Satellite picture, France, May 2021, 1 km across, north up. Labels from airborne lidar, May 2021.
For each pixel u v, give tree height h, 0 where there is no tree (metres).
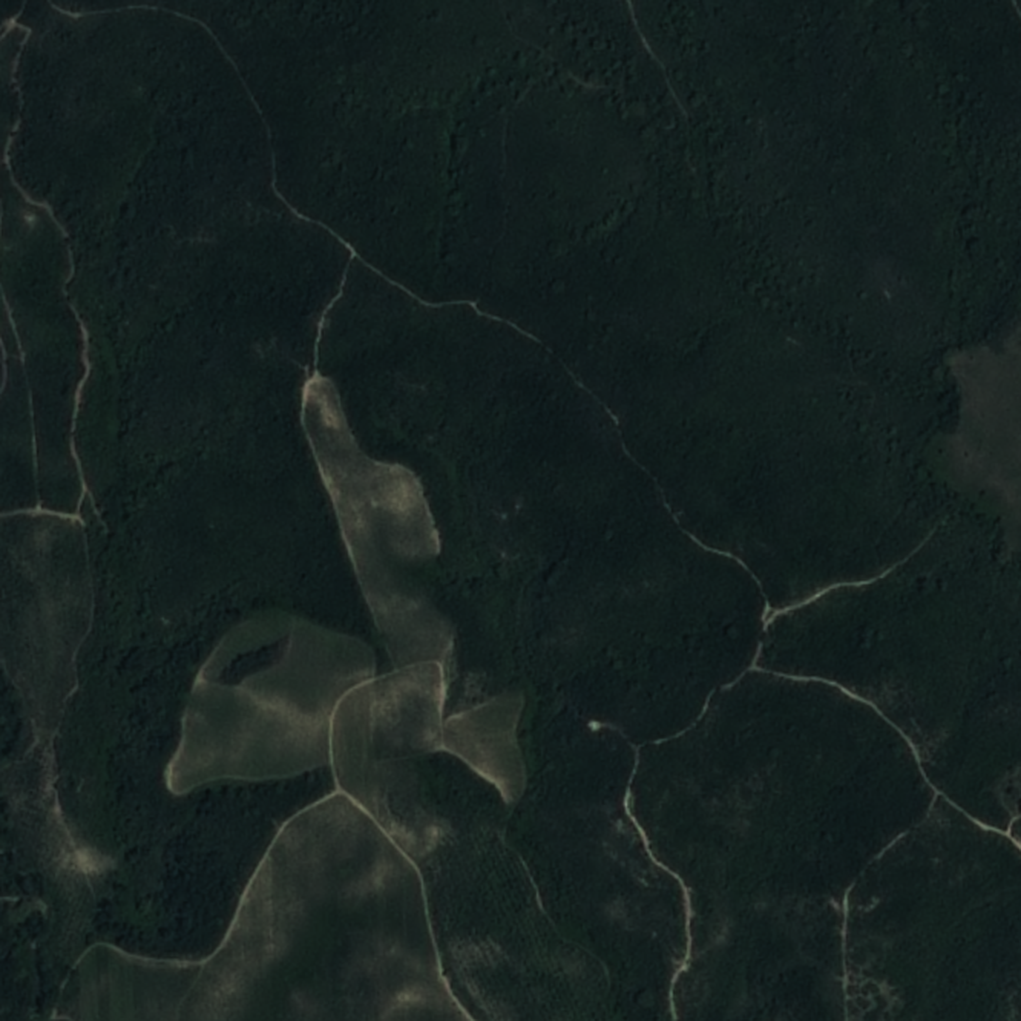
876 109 6
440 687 0
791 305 13
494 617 7
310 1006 0
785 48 6
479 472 5
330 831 0
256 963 0
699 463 6
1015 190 7
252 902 0
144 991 0
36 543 0
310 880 0
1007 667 7
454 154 6
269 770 0
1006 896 6
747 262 8
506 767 0
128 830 6
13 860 25
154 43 6
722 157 8
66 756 7
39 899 20
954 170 9
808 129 5
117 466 9
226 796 12
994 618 5
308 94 5
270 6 11
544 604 9
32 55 5
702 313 6
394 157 6
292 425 5
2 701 6
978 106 9
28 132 7
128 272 11
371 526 0
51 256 6
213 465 6
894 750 13
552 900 7
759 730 6
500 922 6
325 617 6
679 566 6
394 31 7
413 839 0
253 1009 0
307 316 10
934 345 6
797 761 6
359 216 7
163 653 10
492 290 8
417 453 5
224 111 6
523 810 6
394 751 0
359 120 6
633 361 6
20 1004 10
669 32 14
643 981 6
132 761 7
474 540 5
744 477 6
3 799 7
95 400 6
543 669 6
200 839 8
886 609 6
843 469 5
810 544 6
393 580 0
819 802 6
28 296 7
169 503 6
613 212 11
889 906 6
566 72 14
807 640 6
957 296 10
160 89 8
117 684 14
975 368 0
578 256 6
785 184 6
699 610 5
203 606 8
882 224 6
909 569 6
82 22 0
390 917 0
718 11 10
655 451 8
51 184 11
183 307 7
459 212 7
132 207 15
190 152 15
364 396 6
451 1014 0
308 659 0
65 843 0
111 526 12
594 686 5
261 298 7
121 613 9
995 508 0
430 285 6
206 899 14
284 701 0
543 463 8
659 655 12
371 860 0
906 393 9
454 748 0
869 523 6
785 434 6
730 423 6
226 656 0
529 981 6
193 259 5
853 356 9
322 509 11
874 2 8
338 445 0
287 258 5
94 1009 0
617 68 8
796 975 10
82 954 0
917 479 13
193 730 0
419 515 0
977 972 6
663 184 7
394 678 0
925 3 10
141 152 6
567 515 6
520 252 5
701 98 15
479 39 11
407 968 0
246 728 0
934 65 6
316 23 7
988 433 0
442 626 0
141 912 12
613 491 6
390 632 0
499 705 0
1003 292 6
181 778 0
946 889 6
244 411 6
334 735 0
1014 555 6
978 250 15
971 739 7
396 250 5
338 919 0
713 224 7
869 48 12
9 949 14
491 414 6
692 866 9
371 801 0
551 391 8
